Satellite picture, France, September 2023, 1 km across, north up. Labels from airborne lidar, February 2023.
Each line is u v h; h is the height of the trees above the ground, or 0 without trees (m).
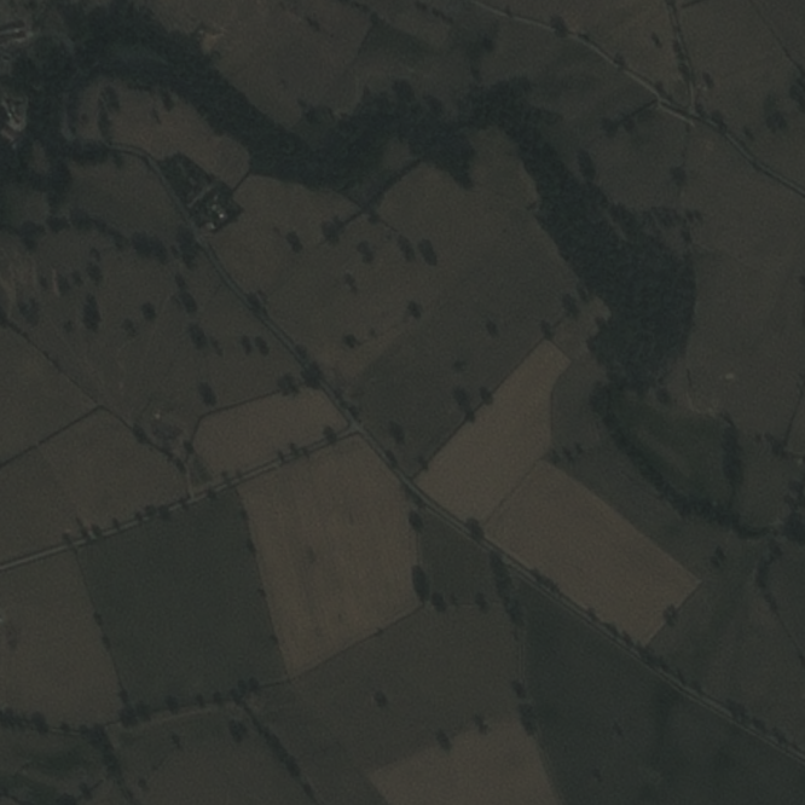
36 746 0
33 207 0
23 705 0
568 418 0
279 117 0
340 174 22
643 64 0
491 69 0
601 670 0
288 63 0
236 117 20
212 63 9
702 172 0
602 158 0
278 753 10
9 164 22
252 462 0
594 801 0
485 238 0
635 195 0
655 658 15
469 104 19
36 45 6
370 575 0
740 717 14
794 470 0
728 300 0
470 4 0
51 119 12
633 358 16
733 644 0
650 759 0
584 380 0
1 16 0
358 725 0
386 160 0
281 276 0
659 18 0
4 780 0
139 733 0
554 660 0
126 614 0
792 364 0
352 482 0
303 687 0
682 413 0
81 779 0
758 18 0
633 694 0
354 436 0
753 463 0
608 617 0
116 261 0
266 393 0
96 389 0
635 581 0
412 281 0
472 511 0
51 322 0
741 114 0
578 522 0
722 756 0
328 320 0
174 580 0
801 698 0
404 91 16
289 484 0
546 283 0
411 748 0
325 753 14
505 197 0
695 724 0
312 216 0
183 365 0
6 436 0
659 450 0
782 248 0
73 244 0
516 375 0
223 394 0
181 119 0
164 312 0
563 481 0
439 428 0
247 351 11
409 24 0
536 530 0
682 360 0
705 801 0
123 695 8
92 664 0
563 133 0
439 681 0
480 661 0
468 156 17
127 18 18
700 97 0
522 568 0
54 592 0
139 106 0
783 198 0
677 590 0
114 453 0
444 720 0
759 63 0
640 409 0
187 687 0
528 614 0
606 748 0
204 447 0
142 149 0
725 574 0
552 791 0
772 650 0
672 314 13
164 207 0
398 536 0
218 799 0
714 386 0
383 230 0
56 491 0
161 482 0
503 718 0
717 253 0
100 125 9
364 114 6
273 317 0
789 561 0
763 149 0
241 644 0
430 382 0
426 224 0
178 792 0
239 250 0
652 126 0
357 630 0
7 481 0
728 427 17
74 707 0
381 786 0
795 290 0
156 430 0
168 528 0
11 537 0
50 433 0
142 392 0
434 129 13
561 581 0
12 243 0
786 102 0
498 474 0
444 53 0
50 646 0
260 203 0
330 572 0
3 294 0
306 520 0
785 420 0
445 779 0
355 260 0
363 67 0
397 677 0
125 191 0
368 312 0
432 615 0
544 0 0
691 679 0
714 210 0
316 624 0
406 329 0
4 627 0
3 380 0
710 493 0
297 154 17
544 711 0
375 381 0
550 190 9
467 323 0
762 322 0
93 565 0
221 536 0
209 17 0
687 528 0
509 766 0
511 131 8
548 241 0
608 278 12
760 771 0
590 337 13
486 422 0
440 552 0
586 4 0
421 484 0
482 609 9
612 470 0
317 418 0
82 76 8
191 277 0
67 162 7
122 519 0
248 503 0
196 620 0
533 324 0
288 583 0
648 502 0
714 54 0
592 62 0
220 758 0
